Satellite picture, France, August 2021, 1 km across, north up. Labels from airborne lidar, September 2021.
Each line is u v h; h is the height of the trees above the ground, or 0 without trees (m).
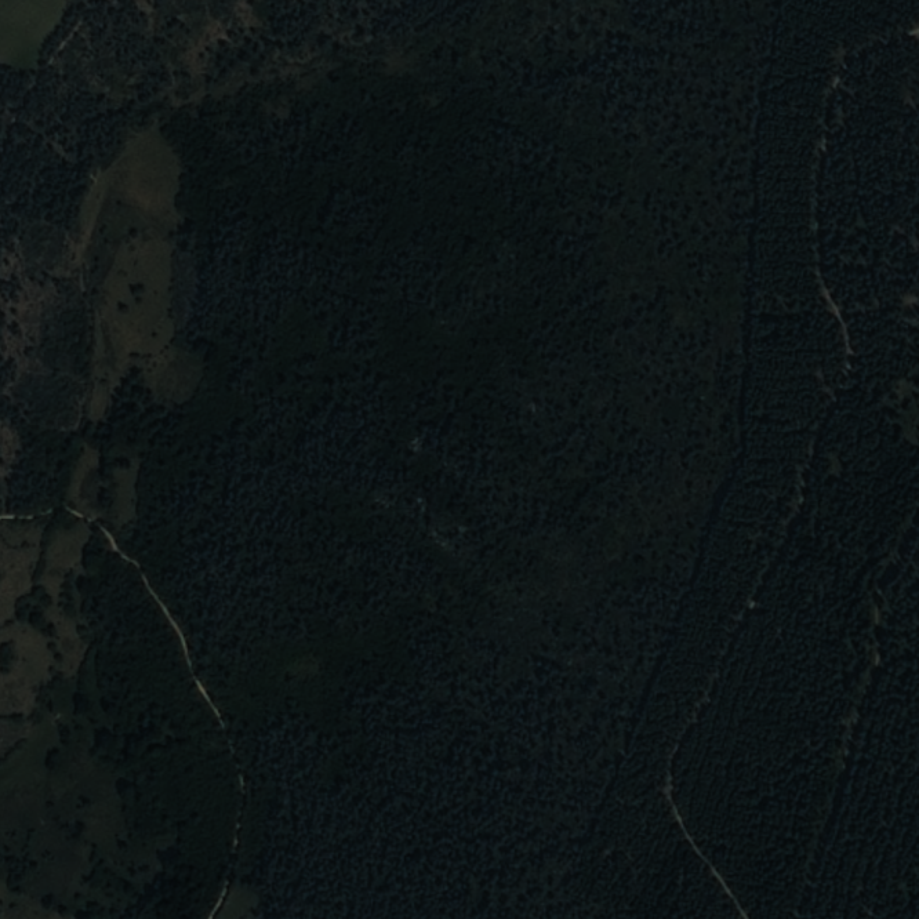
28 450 8
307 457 17
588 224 7
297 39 13
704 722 15
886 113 15
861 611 14
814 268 19
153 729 17
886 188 23
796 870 16
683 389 7
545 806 12
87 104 12
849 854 19
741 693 16
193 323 9
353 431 18
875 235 18
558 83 13
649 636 9
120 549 6
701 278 12
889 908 19
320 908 18
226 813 6
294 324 6
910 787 18
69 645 0
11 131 11
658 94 8
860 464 21
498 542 11
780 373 17
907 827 20
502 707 17
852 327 18
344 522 6
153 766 6
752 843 19
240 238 13
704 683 14
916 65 13
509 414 13
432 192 6
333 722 7
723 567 18
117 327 0
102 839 0
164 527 7
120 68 9
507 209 6
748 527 19
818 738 19
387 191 6
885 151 22
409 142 9
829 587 18
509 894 9
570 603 0
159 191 0
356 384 6
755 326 18
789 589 17
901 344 14
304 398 6
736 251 0
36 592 13
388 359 6
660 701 18
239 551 15
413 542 6
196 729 6
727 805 13
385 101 6
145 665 6
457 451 8
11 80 11
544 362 7
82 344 6
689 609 18
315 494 15
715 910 23
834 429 20
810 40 16
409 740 12
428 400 10
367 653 6
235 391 5
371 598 10
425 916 13
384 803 12
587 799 14
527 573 5
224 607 15
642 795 11
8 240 12
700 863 18
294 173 7
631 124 13
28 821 0
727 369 12
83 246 0
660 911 14
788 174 12
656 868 17
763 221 20
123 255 0
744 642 14
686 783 16
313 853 15
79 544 0
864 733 17
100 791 0
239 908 0
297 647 6
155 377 0
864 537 14
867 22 16
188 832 10
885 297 23
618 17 0
